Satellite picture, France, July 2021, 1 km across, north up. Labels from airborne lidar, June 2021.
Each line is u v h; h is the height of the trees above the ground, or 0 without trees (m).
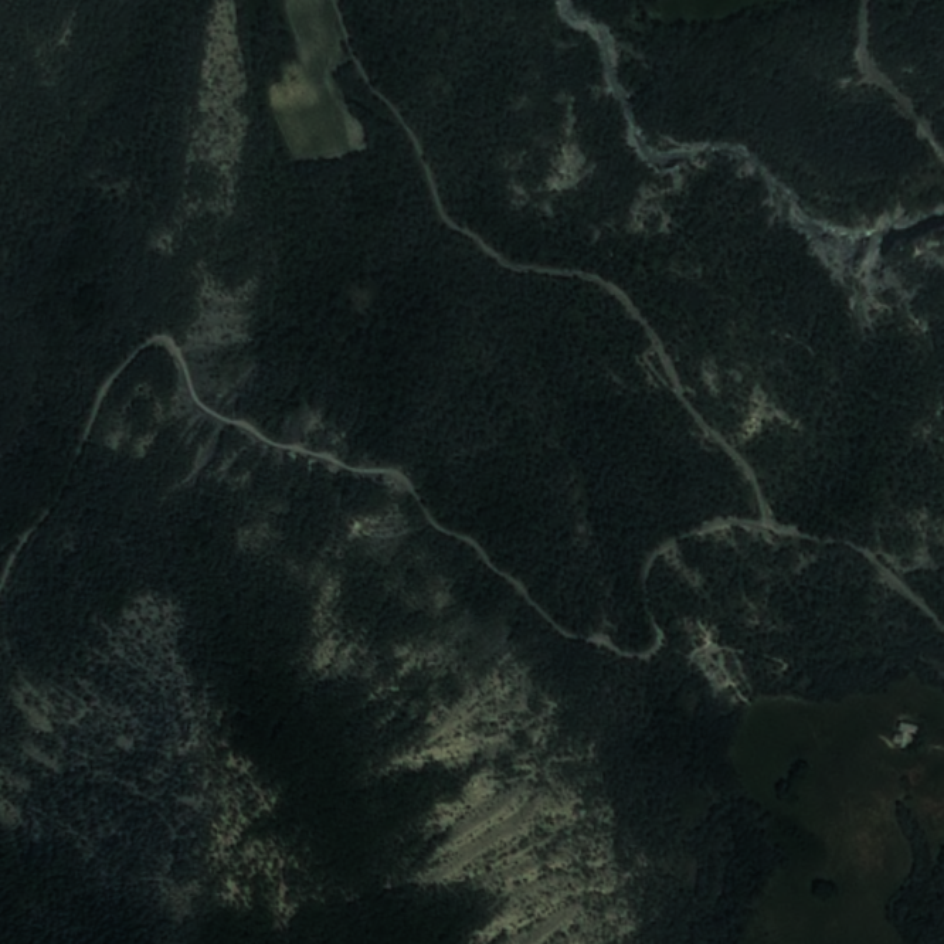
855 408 12
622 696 7
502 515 12
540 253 11
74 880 9
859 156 8
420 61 10
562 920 0
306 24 0
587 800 5
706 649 0
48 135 6
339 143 0
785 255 10
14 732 7
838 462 7
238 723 17
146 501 7
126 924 12
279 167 12
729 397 7
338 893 8
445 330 13
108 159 8
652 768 10
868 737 0
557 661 10
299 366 10
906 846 0
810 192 11
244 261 8
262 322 11
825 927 0
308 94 0
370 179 13
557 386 12
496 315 13
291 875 8
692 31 12
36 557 9
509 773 6
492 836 0
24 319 17
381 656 7
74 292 14
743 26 17
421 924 15
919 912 8
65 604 9
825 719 0
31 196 9
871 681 14
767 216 7
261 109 13
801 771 15
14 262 12
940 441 9
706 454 10
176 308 8
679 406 8
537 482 10
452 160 8
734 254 10
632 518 13
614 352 8
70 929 8
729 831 13
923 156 8
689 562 7
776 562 6
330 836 12
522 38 7
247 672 16
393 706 7
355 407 8
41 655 8
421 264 8
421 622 8
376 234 9
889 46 7
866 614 9
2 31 7
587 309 10
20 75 7
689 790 16
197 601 11
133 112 9
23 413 17
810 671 9
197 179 6
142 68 9
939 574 7
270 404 8
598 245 9
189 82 6
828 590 8
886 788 0
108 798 7
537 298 10
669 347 6
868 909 0
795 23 12
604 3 17
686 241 8
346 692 9
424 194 9
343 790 13
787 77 16
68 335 15
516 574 10
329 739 14
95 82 9
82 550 10
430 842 9
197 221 9
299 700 11
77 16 7
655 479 12
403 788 12
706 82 17
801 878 0
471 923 10
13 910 20
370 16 7
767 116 11
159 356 8
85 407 8
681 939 10
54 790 7
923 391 11
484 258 9
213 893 7
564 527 11
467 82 8
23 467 19
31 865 16
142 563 7
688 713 9
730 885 14
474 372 9
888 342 10
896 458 8
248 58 12
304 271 13
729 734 18
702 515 7
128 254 10
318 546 6
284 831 8
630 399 7
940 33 10
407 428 10
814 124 13
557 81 6
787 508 9
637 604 11
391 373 14
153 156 10
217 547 13
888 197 9
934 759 0
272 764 12
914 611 8
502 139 8
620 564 13
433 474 12
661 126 8
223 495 8
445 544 10
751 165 0
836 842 0
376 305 6
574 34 11
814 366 12
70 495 12
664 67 14
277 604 15
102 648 6
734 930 16
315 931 9
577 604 14
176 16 10
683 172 6
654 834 11
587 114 8
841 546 12
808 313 6
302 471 9
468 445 8
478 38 8
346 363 11
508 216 8
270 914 9
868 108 6
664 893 6
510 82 8
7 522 16
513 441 10
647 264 10
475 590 10
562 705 6
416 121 11
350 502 5
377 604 8
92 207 11
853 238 0
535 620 9
